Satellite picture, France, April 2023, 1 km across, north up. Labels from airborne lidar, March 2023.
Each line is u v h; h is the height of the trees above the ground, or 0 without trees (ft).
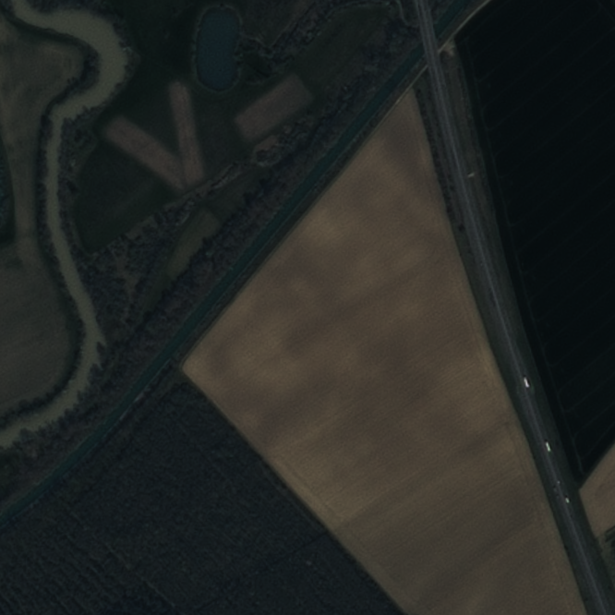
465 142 0
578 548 0
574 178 0
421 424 0
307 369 0
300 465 0
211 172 0
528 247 0
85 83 44
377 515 0
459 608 0
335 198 0
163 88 0
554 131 0
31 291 0
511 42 0
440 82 0
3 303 0
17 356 0
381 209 0
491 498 0
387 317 0
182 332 0
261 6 0
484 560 0
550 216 0
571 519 0
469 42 0
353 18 0
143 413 26
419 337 0
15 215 0
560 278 0
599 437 0
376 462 0
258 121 0
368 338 0
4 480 0
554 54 0
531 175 0
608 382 0
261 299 0
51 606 47
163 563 28
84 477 49
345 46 0
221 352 0
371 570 0
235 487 44
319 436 0
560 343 0
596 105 0
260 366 0
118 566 55
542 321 0
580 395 0
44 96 0
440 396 0
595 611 0
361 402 0
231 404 0
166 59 0
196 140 0
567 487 0
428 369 0
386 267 0
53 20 0
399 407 0
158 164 0
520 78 0
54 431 61
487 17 0
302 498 0
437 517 0
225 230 17
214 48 0
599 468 0
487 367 0
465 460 0
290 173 55
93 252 0
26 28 0
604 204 0
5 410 0
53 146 0
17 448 26
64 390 18
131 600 47
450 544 0
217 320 0
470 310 0
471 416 0
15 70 0
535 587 0
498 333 0
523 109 0
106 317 43
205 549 29
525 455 0
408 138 0
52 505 52
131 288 0
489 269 0
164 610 37
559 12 0
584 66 0
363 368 0
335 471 0
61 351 0
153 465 32
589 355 0
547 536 0
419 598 0
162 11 0
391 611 47
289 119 0
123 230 0
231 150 0
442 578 0
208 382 0
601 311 0
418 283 0
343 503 0
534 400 0
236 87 0
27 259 0
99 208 0
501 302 0
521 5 0
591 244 0
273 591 54
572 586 0
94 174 0
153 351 29
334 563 52
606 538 0
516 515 0
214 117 0
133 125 0
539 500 0
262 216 42
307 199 0
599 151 0
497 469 0
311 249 0
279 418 0
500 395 0
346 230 0
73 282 0
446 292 0
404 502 0
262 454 0
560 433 0
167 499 44
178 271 0
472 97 0
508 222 0
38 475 54
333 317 0
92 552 45
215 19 0
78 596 53
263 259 0
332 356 0
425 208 0
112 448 38
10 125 0
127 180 0
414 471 0
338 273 0
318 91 0
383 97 0
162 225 71
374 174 0
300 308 0
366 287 0
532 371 0
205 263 61
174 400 35
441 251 0
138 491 29
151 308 0
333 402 0
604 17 0
